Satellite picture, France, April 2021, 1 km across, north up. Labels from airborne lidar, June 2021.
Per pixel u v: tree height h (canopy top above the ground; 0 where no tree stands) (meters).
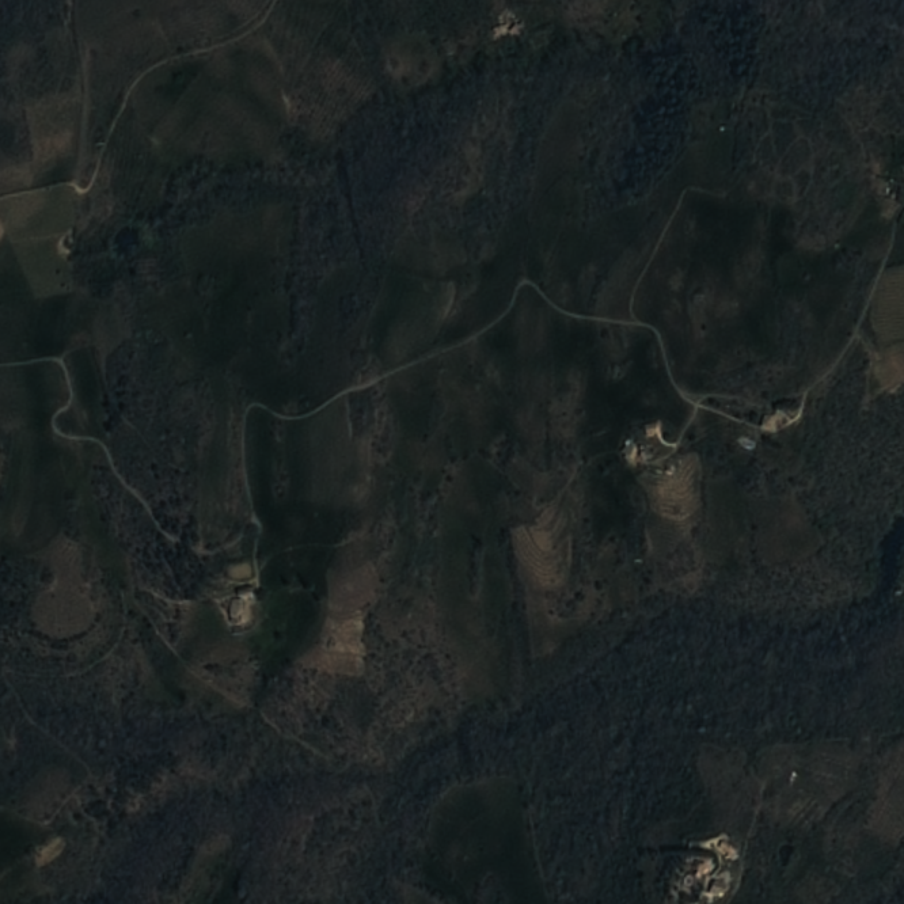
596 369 0
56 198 0
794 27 11
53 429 0
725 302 0
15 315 0
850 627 18
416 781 10
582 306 0
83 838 7
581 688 20
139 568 6
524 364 0
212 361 0
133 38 0
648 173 13
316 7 0
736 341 0
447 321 0
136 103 0
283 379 0
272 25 0
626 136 12
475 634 0
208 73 0
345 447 0
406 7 8
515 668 6
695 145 0
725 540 0
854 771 0
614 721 14
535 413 0
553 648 0
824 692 13
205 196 17
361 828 6
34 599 8
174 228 9
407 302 0
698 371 0
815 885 0
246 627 7
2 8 13
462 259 0
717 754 0
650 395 0
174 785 11
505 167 20
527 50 14
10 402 0
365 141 20
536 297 0
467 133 9
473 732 21
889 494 8
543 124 12
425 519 7
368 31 13
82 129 0
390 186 12
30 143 0
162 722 18
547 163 0
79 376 0
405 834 11
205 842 7
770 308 0
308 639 0
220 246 0
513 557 8
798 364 0
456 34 7
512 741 11
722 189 0
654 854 7
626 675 12
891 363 0
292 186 23
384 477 0
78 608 0
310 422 0
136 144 0
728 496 0
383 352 0
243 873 11
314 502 0
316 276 6
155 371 5
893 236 0
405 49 0
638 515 7
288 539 0
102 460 0
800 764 0
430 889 10
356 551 0
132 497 0
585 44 25
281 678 10
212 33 0
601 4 0
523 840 0
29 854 11
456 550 0
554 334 0
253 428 0
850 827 15
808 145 0
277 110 0
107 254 16
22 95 0
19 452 0
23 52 0
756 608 6
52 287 0
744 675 16
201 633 0
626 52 7
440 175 9
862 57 10
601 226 0
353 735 10
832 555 8
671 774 11
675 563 8
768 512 0
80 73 0
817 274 0
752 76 7
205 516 0
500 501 0
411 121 21
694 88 20
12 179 0
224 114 0
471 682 0
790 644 22
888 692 7
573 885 5
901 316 0
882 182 0
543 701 17
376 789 13
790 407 9
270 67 0
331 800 13
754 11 13
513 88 15
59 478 0
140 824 13
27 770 14
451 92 21
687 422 0
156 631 6
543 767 13
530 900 0
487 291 0
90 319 0
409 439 0
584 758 9
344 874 10
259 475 0
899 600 10
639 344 0
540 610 0
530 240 0
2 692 15
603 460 0
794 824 0
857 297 0
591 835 8
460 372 0
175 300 0
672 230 0
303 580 0
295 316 11
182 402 0
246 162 0
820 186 0
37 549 0
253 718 6
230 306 0
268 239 0
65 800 10
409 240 0
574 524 0
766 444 11
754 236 0
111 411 9
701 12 19
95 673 8
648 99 7
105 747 12
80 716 19
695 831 0
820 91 13
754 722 17
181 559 12
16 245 0
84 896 14
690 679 8
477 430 0
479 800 0
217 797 14
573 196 0
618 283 0
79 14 0
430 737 15
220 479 0
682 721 6
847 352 0
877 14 11
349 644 0
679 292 0
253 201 8
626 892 9
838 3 18
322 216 16
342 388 0
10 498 0
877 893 20
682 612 18
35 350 0
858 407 10
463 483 0
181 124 0
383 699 7
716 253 0
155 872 15
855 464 10
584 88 8
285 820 11
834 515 9
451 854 0
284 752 14
